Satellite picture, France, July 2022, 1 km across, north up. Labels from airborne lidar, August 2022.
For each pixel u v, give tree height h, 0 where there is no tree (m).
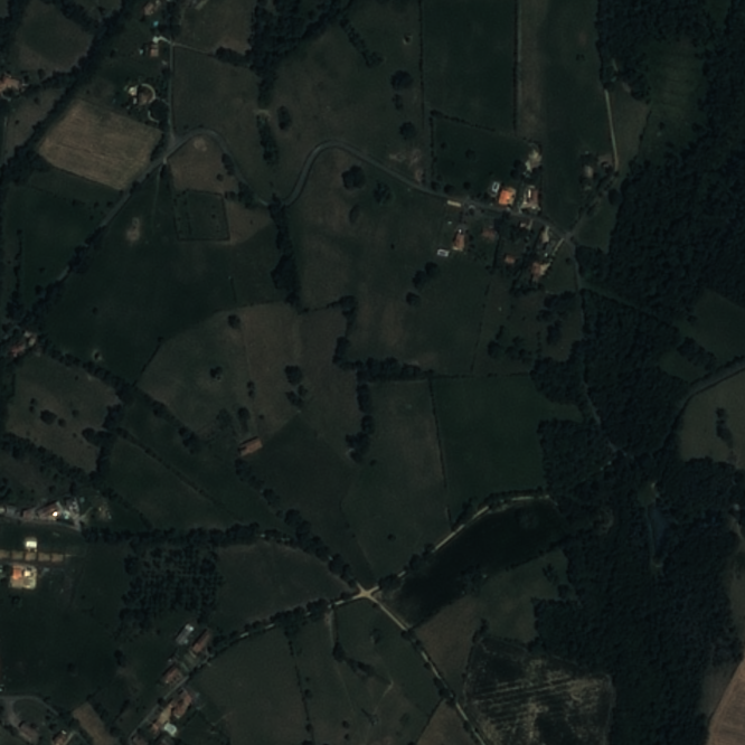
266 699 0
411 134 14
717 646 13
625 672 9
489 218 0
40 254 0
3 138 0
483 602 0
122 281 0
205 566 8
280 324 0
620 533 11
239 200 11
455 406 0
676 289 25
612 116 0
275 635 0
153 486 0
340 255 0
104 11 11
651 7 18
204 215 0
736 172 23
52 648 0
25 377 0
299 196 0
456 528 9
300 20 12
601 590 10
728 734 0
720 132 24
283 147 0
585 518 21
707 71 22
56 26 0
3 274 14
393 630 0
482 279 0
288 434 0
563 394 15
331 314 0
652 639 16
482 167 0
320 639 0
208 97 0
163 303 0
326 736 0
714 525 20
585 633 16
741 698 0
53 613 0
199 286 0
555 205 0
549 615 22
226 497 0
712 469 21
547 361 16
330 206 0
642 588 13
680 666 9
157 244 0
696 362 17
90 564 0
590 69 0
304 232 0
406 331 0
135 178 0
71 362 13
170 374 0
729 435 18
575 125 0
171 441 0
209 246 0
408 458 0
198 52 0
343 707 0
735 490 15
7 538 0
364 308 0
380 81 0
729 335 0
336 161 0
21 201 0
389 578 9
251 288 0
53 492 10
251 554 0
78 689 0
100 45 20
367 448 23
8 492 13
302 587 0
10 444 12
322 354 0
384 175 0
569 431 18
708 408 0
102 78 0
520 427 0
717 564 16
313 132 0
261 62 17
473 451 0
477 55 0
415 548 0
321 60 0
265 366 0
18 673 0
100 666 0
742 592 0
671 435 15
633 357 27
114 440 12
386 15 0
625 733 9
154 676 0
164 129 14
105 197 0
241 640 6
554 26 0
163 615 16
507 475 0
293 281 20
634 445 29
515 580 0
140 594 22
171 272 0
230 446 0
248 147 0
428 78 0
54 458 14
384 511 0
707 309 0
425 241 0
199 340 0
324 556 13
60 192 0
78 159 0
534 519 24
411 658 0
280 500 10
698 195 27
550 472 21
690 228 27
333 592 0
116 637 6
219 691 0
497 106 0
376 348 0
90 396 0
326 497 0
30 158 14
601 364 22
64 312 0
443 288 0
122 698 0
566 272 0
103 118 0
